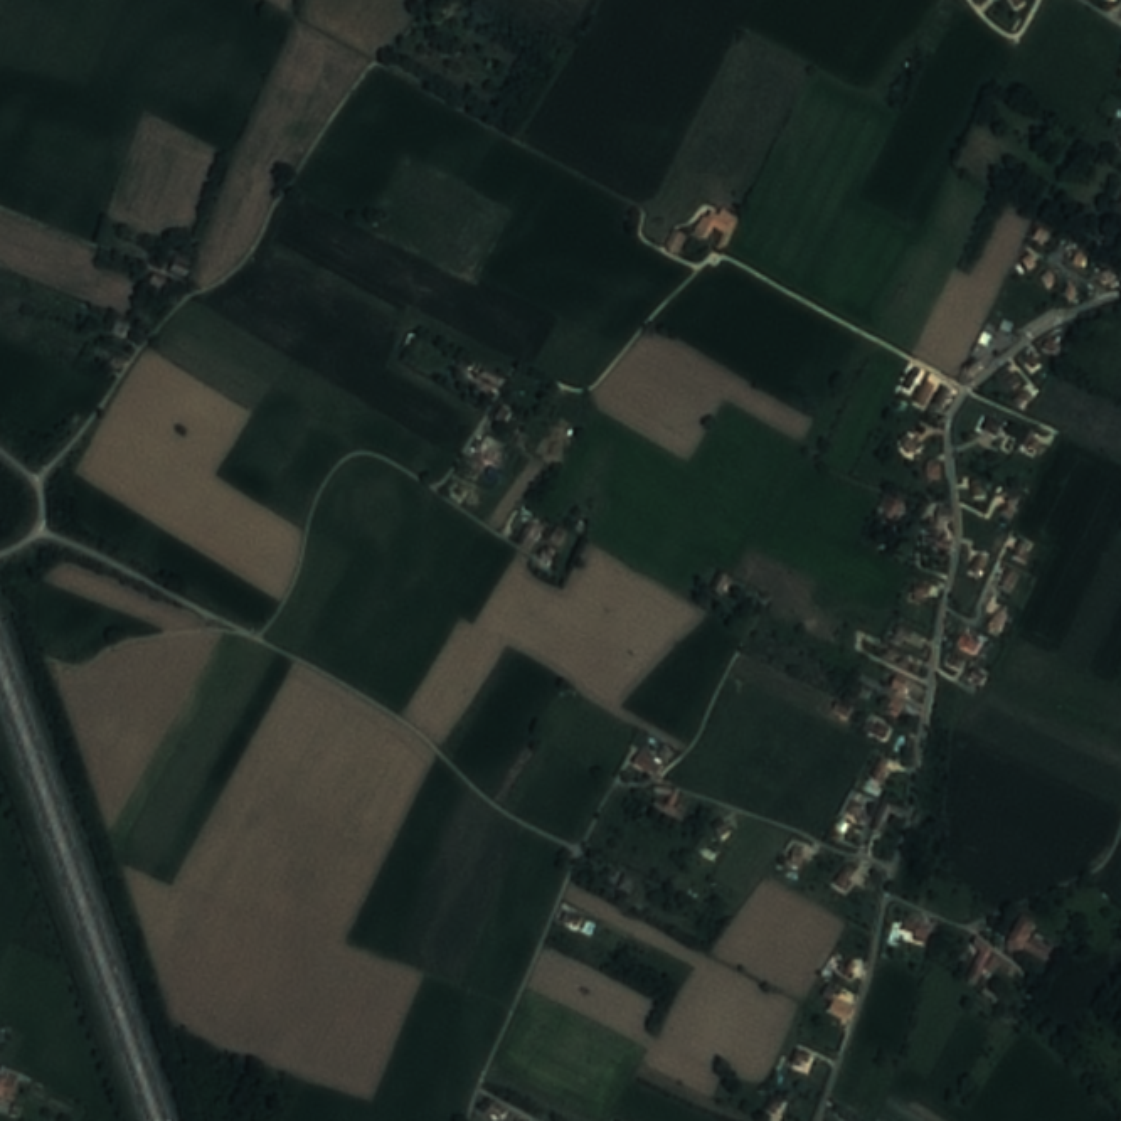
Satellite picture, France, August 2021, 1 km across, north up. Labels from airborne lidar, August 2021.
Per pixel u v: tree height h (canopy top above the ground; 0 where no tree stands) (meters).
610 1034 0
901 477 0
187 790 0
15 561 6
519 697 0
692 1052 0
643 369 0
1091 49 0
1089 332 14
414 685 0
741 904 0
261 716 0
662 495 0
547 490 10
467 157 0
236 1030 0
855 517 0
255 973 0
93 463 0
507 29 9
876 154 0
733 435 0
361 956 0
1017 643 0
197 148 0
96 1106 0
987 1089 0
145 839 0
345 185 0
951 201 0
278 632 0
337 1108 0
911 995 0
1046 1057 0
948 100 0
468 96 17
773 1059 0
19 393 0
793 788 0
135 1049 0
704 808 7
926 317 0
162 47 0
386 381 0
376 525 0
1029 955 9
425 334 8
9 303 0
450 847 0
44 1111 9
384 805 0
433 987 0
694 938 7
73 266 0
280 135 0
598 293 0
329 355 0
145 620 0
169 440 0
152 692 0
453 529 0
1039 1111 0
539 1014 0
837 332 0
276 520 0
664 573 0
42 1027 0
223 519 0
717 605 12
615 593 0
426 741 0
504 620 0
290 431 0
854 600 0
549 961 0
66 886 0
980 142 0
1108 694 0
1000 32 0
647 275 0
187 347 0
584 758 0
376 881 0
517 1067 0
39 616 0
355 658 0
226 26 0
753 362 0
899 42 0
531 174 0
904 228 0
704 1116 0
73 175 0
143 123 0
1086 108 0
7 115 0
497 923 0
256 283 0
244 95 0
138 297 12
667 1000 11
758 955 0
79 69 0
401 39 12
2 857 0
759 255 0
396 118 0
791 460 0
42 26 0
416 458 0
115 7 0
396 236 0
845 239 0
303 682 0
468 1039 0
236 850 0
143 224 0
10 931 0
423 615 0
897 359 0
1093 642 0
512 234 0
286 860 0
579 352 0
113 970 0
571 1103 0
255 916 0
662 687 0
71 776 11
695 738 0
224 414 0
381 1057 0
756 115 0
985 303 0
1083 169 17
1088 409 0
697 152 0
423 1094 0
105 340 13
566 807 0
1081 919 10
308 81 0
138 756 0
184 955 0
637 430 0
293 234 0
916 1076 0
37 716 0
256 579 0
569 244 0
